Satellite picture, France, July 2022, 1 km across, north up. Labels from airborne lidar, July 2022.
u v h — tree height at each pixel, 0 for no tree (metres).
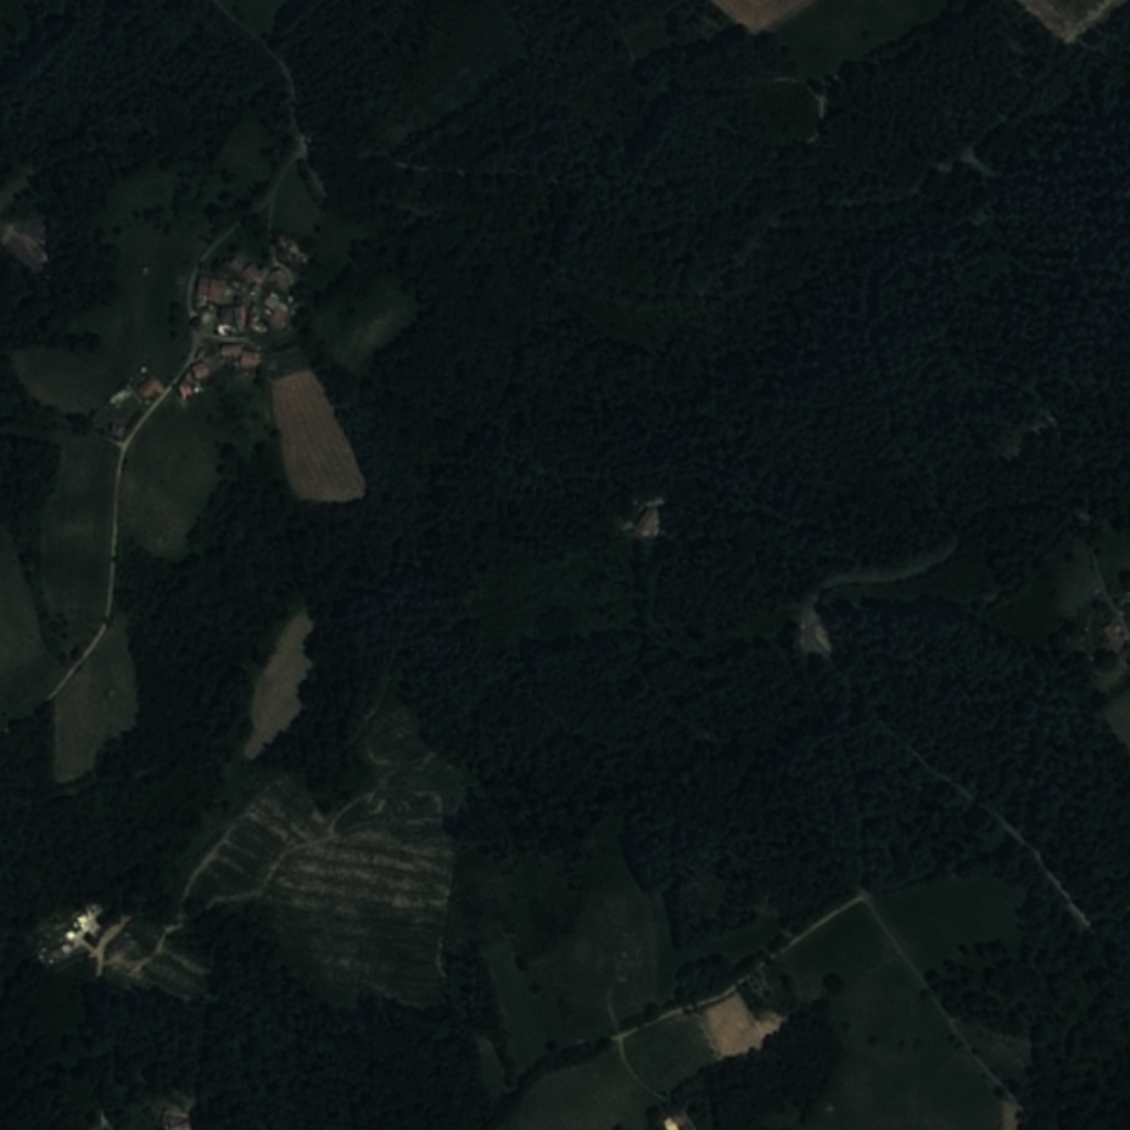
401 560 22
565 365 33
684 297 19
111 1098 16
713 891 0
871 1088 0
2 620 0
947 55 35
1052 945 17
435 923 0
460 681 39
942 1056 0
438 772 0
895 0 0
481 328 27
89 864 25
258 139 0
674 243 28
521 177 15
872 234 21
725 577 20
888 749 41
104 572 0
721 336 9
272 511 20
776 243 26
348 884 0
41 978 17
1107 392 25
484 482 19
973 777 31
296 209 0
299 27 17
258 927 14
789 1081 22
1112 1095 8
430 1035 24
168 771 19
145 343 0
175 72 31
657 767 25
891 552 31
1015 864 24
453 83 0
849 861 33
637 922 0
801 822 16
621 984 0
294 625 0
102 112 31
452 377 24
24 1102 17
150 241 0
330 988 0
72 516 0
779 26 0
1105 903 22
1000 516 25
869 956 0
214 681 7
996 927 0
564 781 32
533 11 19
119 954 0
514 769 20
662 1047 0
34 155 30
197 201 11
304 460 0
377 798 0
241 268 0
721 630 19
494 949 0
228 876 0
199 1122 22
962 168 21
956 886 0
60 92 37
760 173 16
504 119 14
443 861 0
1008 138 21
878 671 35
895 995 0
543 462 29
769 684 33
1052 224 10
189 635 19
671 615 22
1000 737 30
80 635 0
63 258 23
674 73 33
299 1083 13
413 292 10
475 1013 16
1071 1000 14
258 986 16
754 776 28
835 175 17
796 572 17
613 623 16
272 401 0
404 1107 24
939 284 26
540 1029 0
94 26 33
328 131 19
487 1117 15
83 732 0
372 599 33
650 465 30
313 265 14
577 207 29
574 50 16
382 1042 29
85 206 21
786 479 35
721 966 16
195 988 0
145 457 0
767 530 25
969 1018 18
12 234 0
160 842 24
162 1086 16
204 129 13
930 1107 0
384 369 21
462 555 25
